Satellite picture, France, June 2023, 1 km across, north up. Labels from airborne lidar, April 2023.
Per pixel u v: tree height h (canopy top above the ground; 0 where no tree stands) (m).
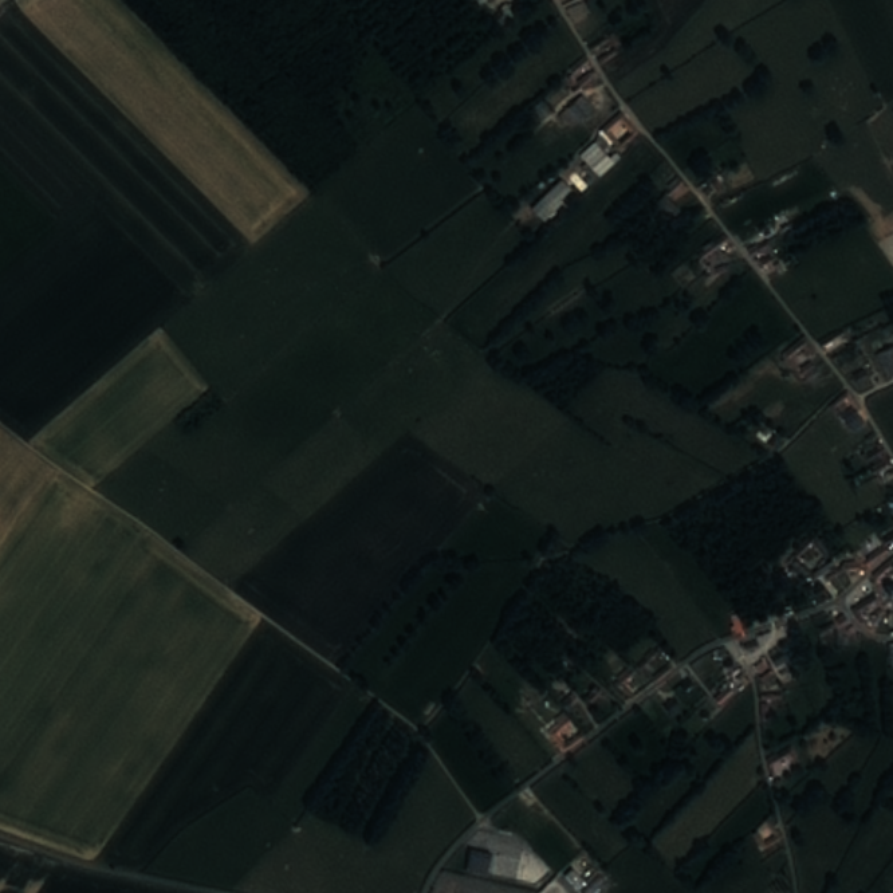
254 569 0
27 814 0
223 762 0
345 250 0
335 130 13
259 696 0
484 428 0
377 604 0
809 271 0
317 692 0
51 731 0
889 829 0
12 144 0
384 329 0
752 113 0
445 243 0
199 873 0
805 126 0
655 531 0
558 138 0
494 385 0
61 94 0
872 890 0
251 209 0
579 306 0
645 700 0
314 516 0
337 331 0
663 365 0
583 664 13
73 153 0
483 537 0
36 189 0
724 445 0
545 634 19
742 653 0
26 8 0
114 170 0
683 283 0
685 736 14
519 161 0
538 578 11
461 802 0
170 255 0
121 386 0
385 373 0
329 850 0
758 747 0
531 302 13
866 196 0
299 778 0
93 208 0
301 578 0
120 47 0
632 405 0
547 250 0
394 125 0
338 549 0
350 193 0
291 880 0
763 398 0
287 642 0
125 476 0
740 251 0
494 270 0
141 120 0
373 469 0
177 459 0
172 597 0
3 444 0
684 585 0
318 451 0
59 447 0
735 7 0
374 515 0
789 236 6
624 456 0
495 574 0
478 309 0
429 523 0
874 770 0
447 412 0
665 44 0
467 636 0
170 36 11
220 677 0
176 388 0
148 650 0
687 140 0
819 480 0
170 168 0
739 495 17
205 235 0
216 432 0
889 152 0
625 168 0
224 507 0
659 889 0
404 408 0
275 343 0
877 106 0
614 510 0
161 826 0
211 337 0
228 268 0
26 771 0
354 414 0
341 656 0
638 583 0
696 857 7
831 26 0
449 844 0
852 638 0
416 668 0
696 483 0
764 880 0
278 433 0
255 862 0
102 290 0
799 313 0
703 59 0
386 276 0
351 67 11
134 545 0
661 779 22
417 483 0
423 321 0
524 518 0
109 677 0
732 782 0
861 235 0
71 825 0
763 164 0
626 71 0
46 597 0
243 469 0
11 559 0
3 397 0
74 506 0
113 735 0
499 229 0
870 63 0
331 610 0
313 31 13
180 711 0
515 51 17
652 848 20
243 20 11
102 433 0
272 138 9
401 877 0
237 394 0
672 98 0
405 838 0
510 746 0
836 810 17
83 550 0
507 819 0
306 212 0
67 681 0
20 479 0
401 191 0
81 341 0
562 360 12
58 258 0
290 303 0
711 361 0
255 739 0
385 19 11
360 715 0
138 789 0
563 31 0
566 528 0
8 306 0
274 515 0
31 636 0
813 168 0
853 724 12
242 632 0
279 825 0
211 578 0
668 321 0
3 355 0
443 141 19
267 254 0
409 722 0
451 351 0
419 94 12
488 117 0
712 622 0
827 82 0
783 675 0
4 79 0
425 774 0
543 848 0
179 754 0
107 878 0
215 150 0
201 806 0
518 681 0
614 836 0
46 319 0
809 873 0
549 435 0
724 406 0
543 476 0
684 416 0
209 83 10
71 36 0
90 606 0
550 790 0
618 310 0
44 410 0
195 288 0
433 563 14
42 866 0
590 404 0
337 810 14
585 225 0
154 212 0
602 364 7
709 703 0
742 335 0
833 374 0
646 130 0
